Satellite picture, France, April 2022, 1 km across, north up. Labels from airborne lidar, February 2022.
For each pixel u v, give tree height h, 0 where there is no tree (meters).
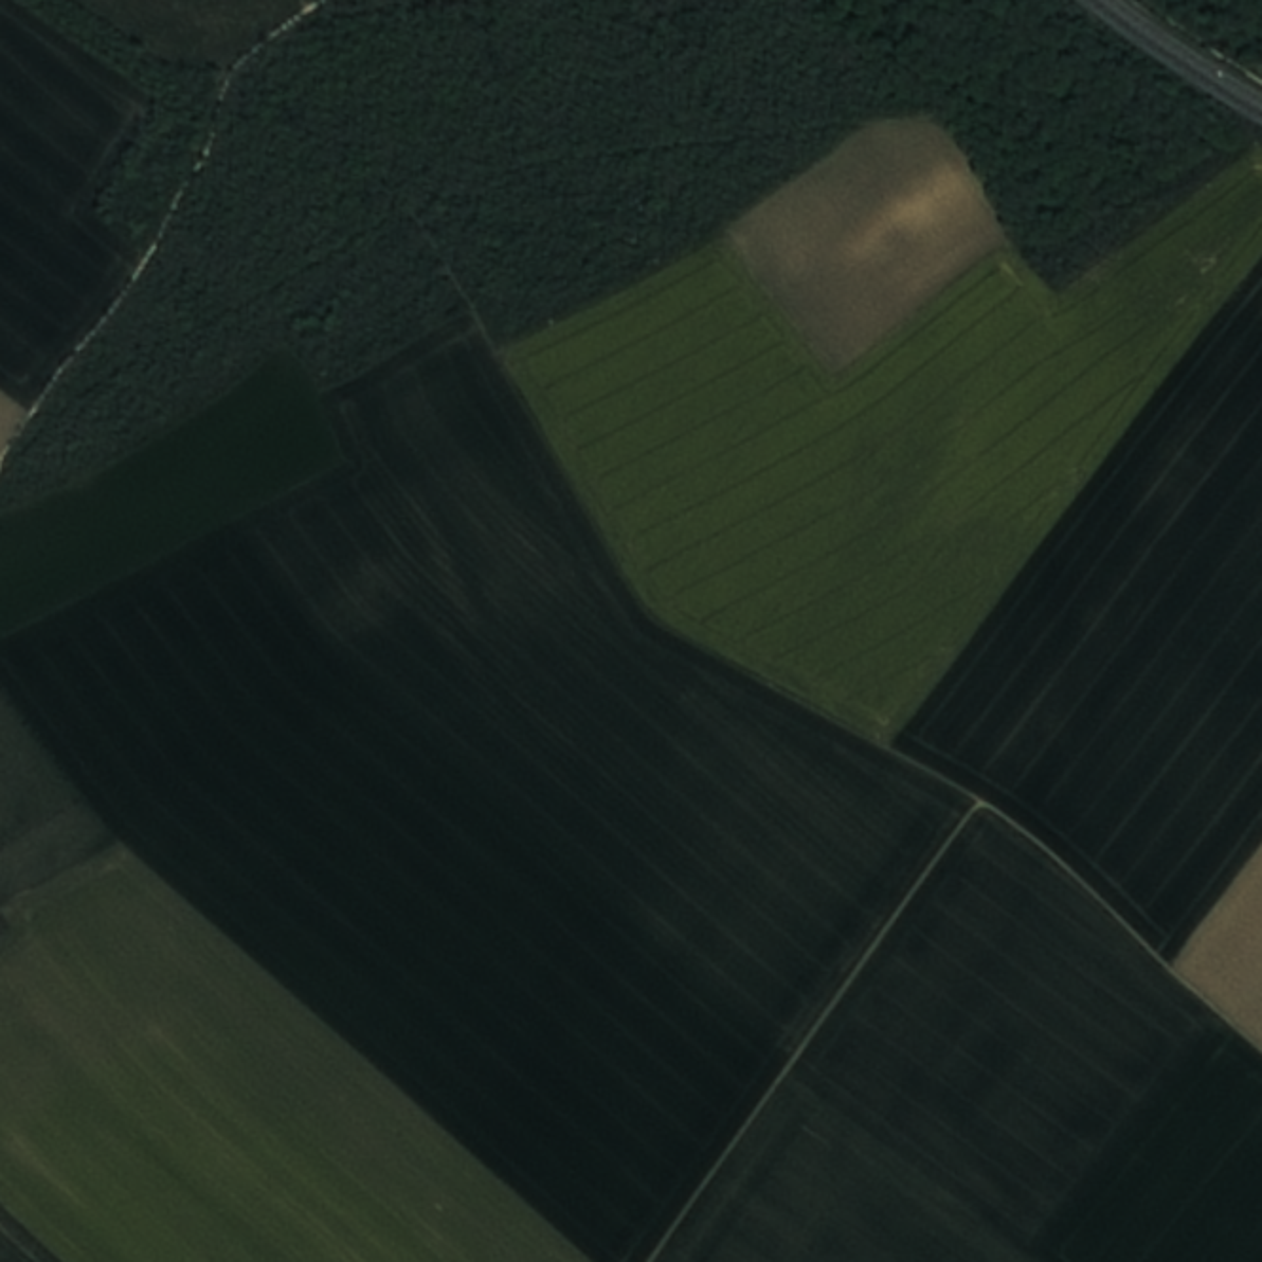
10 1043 0
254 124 15
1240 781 0
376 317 18
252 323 11
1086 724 0
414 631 0
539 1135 0
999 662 0
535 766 0
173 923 0
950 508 0
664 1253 0
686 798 0
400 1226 0
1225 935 0
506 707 0
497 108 11
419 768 0
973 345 0
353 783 0
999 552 0
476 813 0
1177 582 0
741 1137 0
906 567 0
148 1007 0
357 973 0
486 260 12
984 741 0
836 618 0
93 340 9
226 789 0
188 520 0
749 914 0
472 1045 0
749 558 0
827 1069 0
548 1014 0
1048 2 22
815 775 0
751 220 0
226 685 0
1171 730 0
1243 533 0
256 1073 0
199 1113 0
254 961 0
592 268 13
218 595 0
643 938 0
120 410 10
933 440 0
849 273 0
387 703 0
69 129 0
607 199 11
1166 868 0
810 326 0
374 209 14
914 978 0
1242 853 0
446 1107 0
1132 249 0
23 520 0
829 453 0
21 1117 0
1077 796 0
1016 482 0
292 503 0
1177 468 0
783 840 0
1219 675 0
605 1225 0
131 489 0
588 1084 0
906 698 0
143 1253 0
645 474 0
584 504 0
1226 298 0
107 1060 0
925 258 0
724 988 0
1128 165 24
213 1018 0
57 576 0
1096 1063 0
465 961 0
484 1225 0
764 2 14
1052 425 0
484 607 0
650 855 0
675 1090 0
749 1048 0
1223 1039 0
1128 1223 0
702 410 0
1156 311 0
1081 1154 0
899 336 0
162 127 17
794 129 13
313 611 0
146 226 11
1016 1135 0
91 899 0
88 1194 0
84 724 0
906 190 0
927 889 0
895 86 20
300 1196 0
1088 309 0
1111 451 0
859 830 0
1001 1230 0
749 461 0
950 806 0
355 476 0
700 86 15
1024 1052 0
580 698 0
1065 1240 0
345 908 0
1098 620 0
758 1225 0
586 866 0
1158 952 0
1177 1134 0
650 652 0
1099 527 0
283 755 0
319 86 12
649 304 0
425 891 0
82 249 0
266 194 11
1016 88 22
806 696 0
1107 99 25
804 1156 0
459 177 15
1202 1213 0
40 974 0
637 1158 0
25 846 0
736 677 0
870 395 0
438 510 0
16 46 0
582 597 0
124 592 0
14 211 0
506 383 0
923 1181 0
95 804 0
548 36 12
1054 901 0
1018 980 0
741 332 0
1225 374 0
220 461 0
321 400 0
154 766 0
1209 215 0
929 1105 0
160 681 0
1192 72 0
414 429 0
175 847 0
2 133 0
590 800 0
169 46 0
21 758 0
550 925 0
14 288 0
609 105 15
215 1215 0
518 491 0
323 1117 0
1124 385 0
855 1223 0
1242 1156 0
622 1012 0
